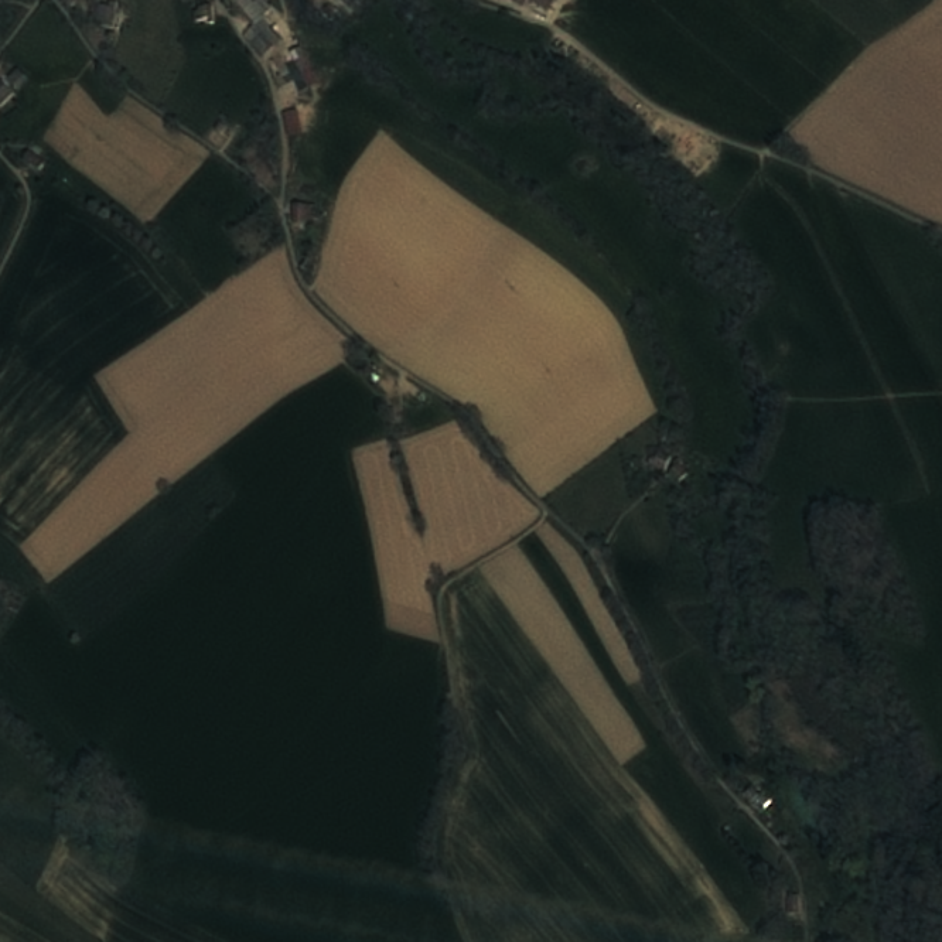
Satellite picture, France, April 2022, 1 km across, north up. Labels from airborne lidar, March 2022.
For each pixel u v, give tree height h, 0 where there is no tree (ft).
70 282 0
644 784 0
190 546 0
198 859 0
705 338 0
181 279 0
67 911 0
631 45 0
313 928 0
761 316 0
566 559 0
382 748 0
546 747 0
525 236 0
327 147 0
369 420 0
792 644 88
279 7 0
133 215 0
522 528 0
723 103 0
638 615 0
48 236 0
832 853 68
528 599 0
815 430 0
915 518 0
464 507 0
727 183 0
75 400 0
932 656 0
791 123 0
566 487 0
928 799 85
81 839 76
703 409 0
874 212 0
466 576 0
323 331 0
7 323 0
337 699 0
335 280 0
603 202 0
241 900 0
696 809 0
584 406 0
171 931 0
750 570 61
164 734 0
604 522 0
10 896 0
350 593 0
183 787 0
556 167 0
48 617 0
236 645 0
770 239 0
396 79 38
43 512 0
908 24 0
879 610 86
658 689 70
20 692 0
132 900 0
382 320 0
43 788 0
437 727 0
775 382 0
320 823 0
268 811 0
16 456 0
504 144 0
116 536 0
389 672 0
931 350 0
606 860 0
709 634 0
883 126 0
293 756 0
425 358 0
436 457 0
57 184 19
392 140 0
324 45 0
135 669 0
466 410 51
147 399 0
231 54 0
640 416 0
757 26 0
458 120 0
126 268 0
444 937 0
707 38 0
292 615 0
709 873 0
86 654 0
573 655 0
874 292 0
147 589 0
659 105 0
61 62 0
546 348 0
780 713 27
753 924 0
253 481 0
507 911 0
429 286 0
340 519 0
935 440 0
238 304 0
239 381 0
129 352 0
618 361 0
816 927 0
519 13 0
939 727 0
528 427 0
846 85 0
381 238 0
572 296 0
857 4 0
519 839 0
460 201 0
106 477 0
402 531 0
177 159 0
